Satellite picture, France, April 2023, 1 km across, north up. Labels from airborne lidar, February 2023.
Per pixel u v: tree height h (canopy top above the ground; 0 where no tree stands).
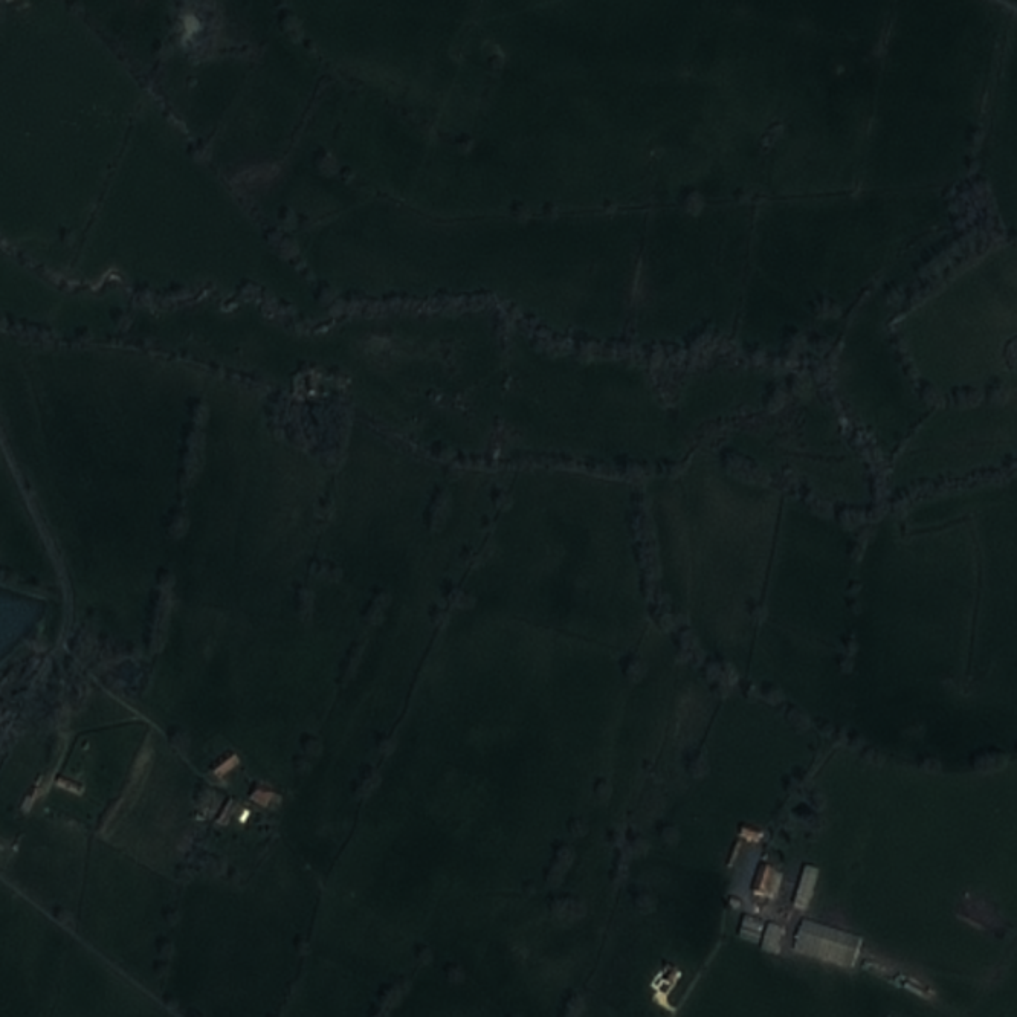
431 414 0
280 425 17
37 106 0
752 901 0
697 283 0
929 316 0
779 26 0
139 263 0
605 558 0
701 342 19
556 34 0
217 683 0
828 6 0
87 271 0
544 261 0
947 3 0
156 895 0
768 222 0
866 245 0
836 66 0
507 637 0
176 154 0
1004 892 0
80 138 0
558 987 0
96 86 0
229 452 0
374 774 15
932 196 0
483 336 0
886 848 0
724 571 0
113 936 0
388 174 0
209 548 0
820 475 0
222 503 0
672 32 0
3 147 0
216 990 0
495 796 0
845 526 19
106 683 14
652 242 0
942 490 15
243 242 0
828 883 0
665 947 0
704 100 0
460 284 0
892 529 0
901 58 0
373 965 0
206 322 0
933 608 0
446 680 0
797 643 0
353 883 0
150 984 0
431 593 0
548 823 0
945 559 0
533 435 0
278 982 0
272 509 0
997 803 0
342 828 0
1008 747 0
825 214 0
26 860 0
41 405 0
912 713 0
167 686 0
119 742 0
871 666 0
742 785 0
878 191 0
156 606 15
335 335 0
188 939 0
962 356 0
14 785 0
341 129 0
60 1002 0
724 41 0
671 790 0
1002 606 0
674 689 0
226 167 0
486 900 0
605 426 0
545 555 0
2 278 0
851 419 11
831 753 0
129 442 0
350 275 0
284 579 0
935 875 0
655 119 0
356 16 0
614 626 0
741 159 0
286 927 0
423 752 0
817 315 12
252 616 0
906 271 0
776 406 17
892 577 0
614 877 12
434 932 0
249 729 0
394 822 0
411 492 0
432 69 0
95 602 0
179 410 0
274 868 0
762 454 0
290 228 7
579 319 0
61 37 0
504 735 0
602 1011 0
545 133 0
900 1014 0
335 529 0
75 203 0
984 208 18
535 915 0
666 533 0
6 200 0
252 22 0
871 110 0
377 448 0
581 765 0
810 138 0
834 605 0
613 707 0
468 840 0
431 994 0
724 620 0
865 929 0
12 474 0
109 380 0
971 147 15
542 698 0
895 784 0
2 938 0
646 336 0
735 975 0
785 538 0
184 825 0
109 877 0
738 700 0
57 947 0
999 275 0
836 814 0
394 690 0
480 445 0
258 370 0
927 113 0
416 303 13
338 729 0
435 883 0
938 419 0
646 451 0
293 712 0
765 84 0
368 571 0
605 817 0
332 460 19
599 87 0
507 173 0
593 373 0
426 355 0
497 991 0
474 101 0
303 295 0
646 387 0
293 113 0
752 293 0
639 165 0
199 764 0
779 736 0
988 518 0
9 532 0
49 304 0
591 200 0
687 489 0
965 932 0
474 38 0
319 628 0
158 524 0
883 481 18
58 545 0
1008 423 0
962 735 0
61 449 0
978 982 0
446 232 0
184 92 0
